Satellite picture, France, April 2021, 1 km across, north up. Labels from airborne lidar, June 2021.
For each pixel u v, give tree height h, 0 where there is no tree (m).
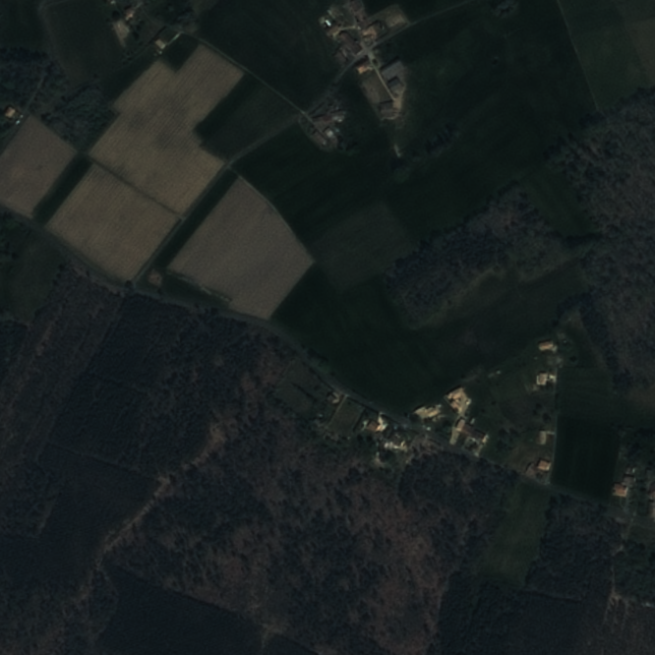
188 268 0
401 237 0
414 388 0
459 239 14
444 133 0
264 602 0
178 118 0
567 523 10
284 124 0
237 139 0
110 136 0
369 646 11
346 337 0
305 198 0
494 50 0
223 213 0
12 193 0
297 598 10
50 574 11
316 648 10
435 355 0
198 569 14
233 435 7
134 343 8
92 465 10
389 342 0
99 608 19
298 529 12
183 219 0
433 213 0
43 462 9
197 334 19
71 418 10
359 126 0
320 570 11
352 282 0
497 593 11
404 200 0
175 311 8
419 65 0
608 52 0
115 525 11
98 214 0
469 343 0
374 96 0
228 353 16
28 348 10
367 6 0
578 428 0
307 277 0
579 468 0
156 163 0
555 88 0
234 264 0
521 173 0
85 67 0
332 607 10
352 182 0
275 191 0
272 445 14
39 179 0
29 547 10
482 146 0
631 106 19
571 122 0
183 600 11
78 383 12
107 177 0
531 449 0
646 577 14
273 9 0
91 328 8
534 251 22
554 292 0
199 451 18
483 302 0
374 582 18
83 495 9
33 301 0
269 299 0
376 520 11
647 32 0
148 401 8
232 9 0
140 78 0
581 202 17
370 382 0
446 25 0
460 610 10
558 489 0
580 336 0
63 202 0
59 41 0
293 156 0
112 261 0
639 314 12
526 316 0
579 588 11
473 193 0
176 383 15
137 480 10
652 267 15
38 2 0
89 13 0
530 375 0
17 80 25
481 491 24
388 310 0
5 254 9
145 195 0
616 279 13
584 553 12
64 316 8
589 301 14
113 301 9
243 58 0
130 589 12
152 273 0
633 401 0
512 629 12
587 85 0
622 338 15
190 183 0
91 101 11
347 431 0
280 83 0
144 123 0
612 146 9
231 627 12
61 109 10
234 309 0
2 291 0
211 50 0
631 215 10
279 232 0
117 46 0
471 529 12
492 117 0
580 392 0
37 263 0
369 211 0
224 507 15
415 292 11
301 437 10
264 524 8
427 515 15
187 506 16
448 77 0
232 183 0
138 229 0
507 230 11
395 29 0
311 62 0
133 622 12
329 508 12
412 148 0
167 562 12
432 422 8
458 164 0
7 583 22
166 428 14
